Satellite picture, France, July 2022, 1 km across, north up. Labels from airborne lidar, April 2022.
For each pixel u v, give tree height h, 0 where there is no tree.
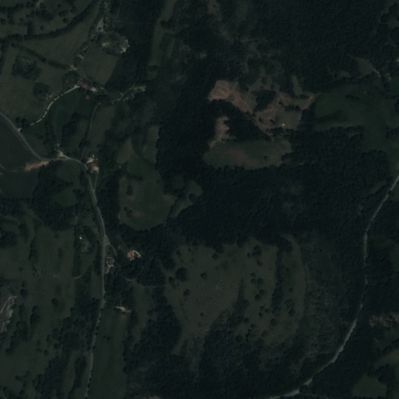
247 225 9
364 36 15
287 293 0
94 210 10
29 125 14
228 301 0
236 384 22
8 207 7
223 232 13
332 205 20
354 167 19
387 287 23
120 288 13
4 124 0
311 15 14
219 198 14
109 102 12
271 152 0
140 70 10
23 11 0
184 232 9
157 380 15
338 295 7
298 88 0
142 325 0
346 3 16
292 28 14
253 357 10
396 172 0
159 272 14
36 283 0
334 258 9
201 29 13
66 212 5
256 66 11
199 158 14
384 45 11
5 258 0
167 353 11
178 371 15
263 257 0
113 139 10
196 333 0
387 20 14
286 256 0
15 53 0
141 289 0
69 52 0
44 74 0
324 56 15
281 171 18
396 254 0
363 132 15
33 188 0
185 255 0
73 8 7
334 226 18
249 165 0
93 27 7
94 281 0
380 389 0
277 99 16
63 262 0
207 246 11
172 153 20
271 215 21
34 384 9
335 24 18
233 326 10
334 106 0
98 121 0
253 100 0
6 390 12
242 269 0
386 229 16
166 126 11
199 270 0
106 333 0
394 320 27
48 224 10
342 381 22
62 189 15
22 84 0
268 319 0
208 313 0
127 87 12
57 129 0
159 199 0
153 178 0
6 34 0
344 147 18
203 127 19
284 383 21
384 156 19
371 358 22
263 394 20
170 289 0
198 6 8
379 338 21
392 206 9
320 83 15
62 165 13
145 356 10
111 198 13
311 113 22
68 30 11
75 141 0
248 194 18
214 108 18
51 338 14
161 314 7
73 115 7
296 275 0
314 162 22
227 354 20
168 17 0
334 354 9
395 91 0
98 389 0
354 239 19
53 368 16
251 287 0
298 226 18
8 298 0
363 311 14
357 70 12
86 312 12
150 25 6
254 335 6
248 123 20
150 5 9
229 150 0
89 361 0
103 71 0
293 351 11
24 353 0
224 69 9
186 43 10
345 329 13
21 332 10
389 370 21
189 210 12
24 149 0
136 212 0
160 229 16
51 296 0
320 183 21
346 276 7
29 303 0
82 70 0
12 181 0
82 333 7
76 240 6
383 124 0
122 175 14
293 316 9
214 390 18
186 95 13
